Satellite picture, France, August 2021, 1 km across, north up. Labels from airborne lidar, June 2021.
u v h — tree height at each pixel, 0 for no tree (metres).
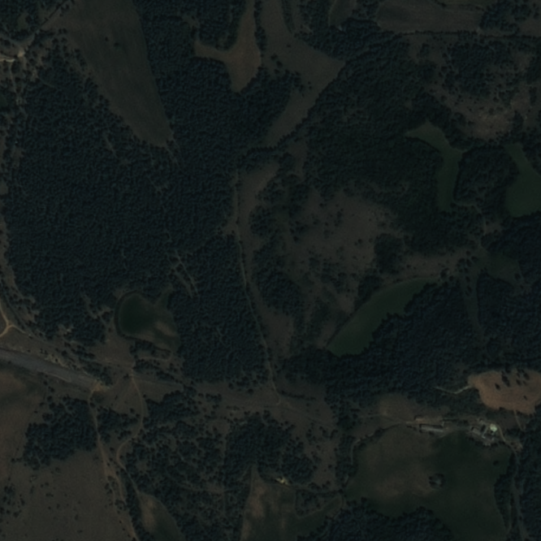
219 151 13
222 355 11
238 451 14
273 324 0
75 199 18
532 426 10
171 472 8
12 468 0
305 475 13
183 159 10
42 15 0
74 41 0
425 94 9
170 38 17
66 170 15
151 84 0
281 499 0
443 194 0
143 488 13
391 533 6
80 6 0
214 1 15
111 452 7
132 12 0
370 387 10
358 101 8
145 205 9
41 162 13
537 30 0
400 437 0
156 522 0
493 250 13
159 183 8
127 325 0
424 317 13
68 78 13
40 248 17
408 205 13
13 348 0
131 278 11
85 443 9
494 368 14
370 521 7
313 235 0
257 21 11
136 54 0
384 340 11
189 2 12
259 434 8
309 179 12
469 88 10
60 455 13
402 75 9
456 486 0
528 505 15
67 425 10
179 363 0
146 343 8
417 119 19
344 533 10
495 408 0
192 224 16
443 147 0
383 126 14
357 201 0
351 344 0
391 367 8
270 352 8
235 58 0
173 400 11
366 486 0
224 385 0
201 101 13
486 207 8
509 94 7
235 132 10
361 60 12
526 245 16
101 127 12
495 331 10
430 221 15
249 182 0
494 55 15
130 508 8
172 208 15
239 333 12
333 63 0
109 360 0
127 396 0
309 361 11
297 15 0
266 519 0
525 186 0
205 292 10
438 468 0
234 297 13
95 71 0
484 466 0
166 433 10
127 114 0
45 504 0
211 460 10
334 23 0
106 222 17
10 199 16
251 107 13
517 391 0
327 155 7
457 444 0
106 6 0
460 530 0
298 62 0
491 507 0
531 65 6
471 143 14
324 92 7
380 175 9
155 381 0
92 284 12
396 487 0
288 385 0
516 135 10
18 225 15
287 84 8
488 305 8
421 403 10
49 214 12
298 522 0
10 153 11
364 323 0
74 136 8
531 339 9
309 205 0
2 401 0
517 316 9
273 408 0
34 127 14
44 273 14
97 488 0
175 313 12
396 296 0
